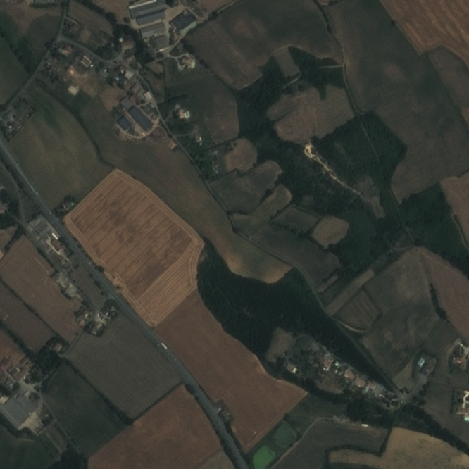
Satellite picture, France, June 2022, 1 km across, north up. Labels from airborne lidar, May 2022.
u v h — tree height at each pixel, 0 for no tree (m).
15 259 0
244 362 0
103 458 0
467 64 0
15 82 0
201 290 15
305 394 0
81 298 0
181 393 0
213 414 0
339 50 0
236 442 8
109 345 0
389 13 0
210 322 0
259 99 16
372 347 0
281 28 0
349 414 11
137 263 0
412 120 0
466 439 0
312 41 0
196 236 0
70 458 20
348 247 8
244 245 0
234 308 9
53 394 0
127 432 0
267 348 11
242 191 0
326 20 6
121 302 0
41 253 12
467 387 0
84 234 0
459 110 0
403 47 0
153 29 0
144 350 0
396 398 9
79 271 0
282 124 0
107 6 0
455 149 0
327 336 14
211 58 0
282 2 0
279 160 7
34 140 0
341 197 7
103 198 0
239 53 0
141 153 0
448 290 0
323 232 0
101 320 0
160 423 0
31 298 0
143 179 0
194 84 0
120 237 0
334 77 11
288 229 10
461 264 20
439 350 0
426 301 0
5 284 8
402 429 0
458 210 0
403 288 0
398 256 0
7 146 0
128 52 7
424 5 0
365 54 0
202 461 0
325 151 7
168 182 0
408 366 0
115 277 0
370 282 0
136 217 0
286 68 0
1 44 0
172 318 0
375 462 0
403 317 0
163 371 0
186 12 0
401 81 0
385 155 7
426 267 0
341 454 0
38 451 0
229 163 0
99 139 0
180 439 0
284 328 9
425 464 0
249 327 8
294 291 9
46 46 13
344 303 0
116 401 0
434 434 11
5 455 0
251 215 0
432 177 0
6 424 12
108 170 0
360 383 0
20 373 0
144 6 0
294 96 0
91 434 0
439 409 0
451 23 0
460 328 0
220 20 0
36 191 0
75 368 8
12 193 0
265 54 0
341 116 0
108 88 0
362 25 0
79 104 0
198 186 0
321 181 8
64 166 0
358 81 0
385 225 7
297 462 0
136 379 0
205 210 0
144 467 0
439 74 0
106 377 0
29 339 0
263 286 13
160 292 0
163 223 0
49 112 0
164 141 0
